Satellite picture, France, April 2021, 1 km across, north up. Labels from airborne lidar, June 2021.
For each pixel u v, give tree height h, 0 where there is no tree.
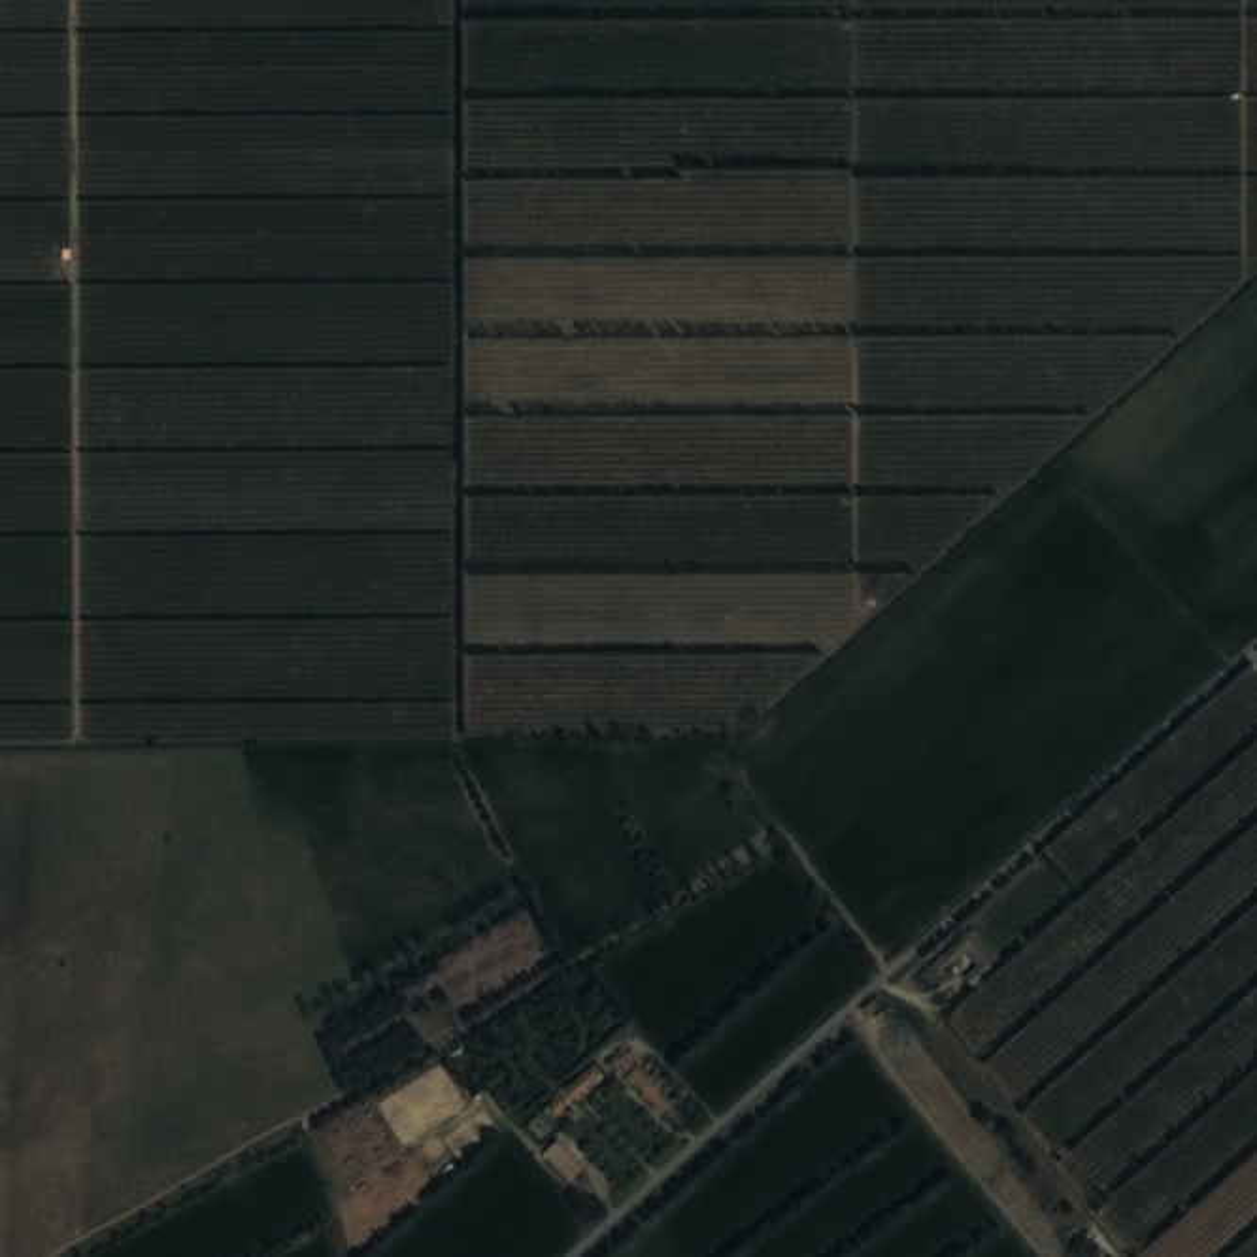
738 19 20
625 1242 19
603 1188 0
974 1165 0
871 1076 0
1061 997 11
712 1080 0
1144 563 0
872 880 0
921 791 0
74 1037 0
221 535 10
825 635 0
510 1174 0
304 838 0
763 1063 0
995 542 0
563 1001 6
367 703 10
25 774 0
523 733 13
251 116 10
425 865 0
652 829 0
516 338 23
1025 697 0
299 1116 0
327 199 9
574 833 0
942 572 0
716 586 0
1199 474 0
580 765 0
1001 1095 0
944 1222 0
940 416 15
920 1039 0
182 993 0
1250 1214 0
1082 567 0
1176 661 0
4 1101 0
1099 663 0
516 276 0
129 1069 0
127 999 0
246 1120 0
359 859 0
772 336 19
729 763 0
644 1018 0
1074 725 0
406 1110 0
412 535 8
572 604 0
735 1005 12
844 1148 0
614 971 0
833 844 0
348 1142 0
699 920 0
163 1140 0
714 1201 0
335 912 0
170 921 0
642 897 0
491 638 0
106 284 10
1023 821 0
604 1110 9
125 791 0
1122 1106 12
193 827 0
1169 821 9
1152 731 0
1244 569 0
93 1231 0
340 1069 10
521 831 0
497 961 0
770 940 0
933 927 0
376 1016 16
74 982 0
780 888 0
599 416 20
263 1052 0
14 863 0
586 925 0
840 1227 0
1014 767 0
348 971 0
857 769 0
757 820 0
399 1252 0
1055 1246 0
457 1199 0
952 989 0
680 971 0
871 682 0
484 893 0
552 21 22
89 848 0
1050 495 0
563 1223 0
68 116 8
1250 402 0
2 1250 0
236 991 0
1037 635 0
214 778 0
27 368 10
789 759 0
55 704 10
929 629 0
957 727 0
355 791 0
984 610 0
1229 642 0
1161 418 0
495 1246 0
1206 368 0
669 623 0
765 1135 0
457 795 0
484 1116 0
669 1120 13
